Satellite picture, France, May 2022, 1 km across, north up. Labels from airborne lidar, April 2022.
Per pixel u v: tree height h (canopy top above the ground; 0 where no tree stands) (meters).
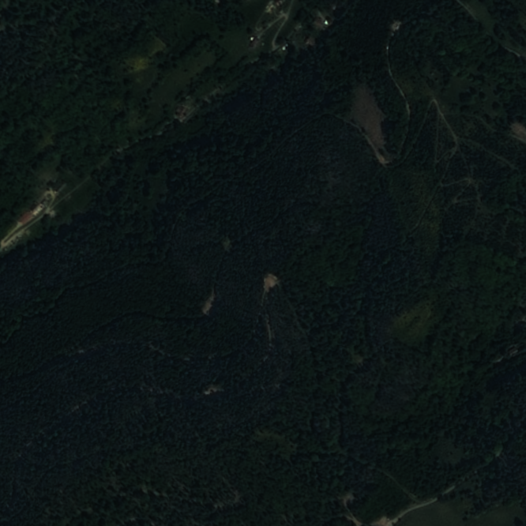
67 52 16
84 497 16
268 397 18
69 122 25
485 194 7
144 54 20
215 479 30
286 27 0
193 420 26
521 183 8
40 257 27
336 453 30
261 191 15
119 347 17
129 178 7
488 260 11
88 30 27
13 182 22
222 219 13
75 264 28
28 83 24
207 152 26
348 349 29
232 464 27
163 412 22
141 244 21
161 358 13
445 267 18
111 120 22
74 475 16
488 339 24
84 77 28
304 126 21
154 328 19
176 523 29
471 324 23
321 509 30
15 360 25
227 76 11
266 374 17
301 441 27
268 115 14
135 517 18
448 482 10
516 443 21
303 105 20
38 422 22
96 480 17
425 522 0
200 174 24
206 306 0
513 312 15
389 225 24
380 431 21
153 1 31
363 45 12
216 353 21
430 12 22
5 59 33
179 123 17
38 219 0
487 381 0
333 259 28
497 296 32
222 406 25
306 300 20
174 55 13
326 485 27
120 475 28
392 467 9
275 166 16
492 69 19
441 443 0
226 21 14
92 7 26
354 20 9
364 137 11
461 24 24
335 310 32
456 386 24
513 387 25
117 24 30
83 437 24
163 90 0
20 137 13
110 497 28
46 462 18
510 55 17
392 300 24
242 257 14
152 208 0
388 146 27
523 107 7
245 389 18
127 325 21
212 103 23
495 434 25
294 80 16
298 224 18
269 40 0
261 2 0
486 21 0
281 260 21
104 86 21
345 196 18
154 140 15
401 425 10
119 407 20
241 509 23
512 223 6
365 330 12
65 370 21
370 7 10
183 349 19
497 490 24
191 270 13
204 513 28
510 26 25
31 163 10
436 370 29
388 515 7
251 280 12
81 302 21
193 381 15
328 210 26
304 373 22
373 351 15
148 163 0
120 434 16
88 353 0
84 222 27
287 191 14
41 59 22
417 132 7
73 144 25
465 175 6
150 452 13
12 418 23
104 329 21
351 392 29
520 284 31
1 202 10
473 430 8
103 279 15
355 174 16
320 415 29
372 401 27
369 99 25
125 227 20
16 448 19
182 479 15
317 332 29
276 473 25
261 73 21
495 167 7
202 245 11
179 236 14
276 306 15
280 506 25
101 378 17
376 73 14
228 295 19
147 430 20
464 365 23
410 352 15
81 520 9
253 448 18
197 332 24
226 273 14
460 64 13
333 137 19
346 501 0
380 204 30
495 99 0
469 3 0
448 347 11
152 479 11
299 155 13
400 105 21
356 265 15
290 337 17
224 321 20
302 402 28
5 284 27
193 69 0
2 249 0
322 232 25
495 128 12
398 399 25
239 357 17
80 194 0
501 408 7
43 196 0
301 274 27
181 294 19
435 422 11
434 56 11
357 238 29
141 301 24
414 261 20
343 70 7
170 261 19
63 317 22
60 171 21
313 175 14
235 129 25
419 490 7
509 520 0
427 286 13
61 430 20
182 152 11
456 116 0
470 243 17
